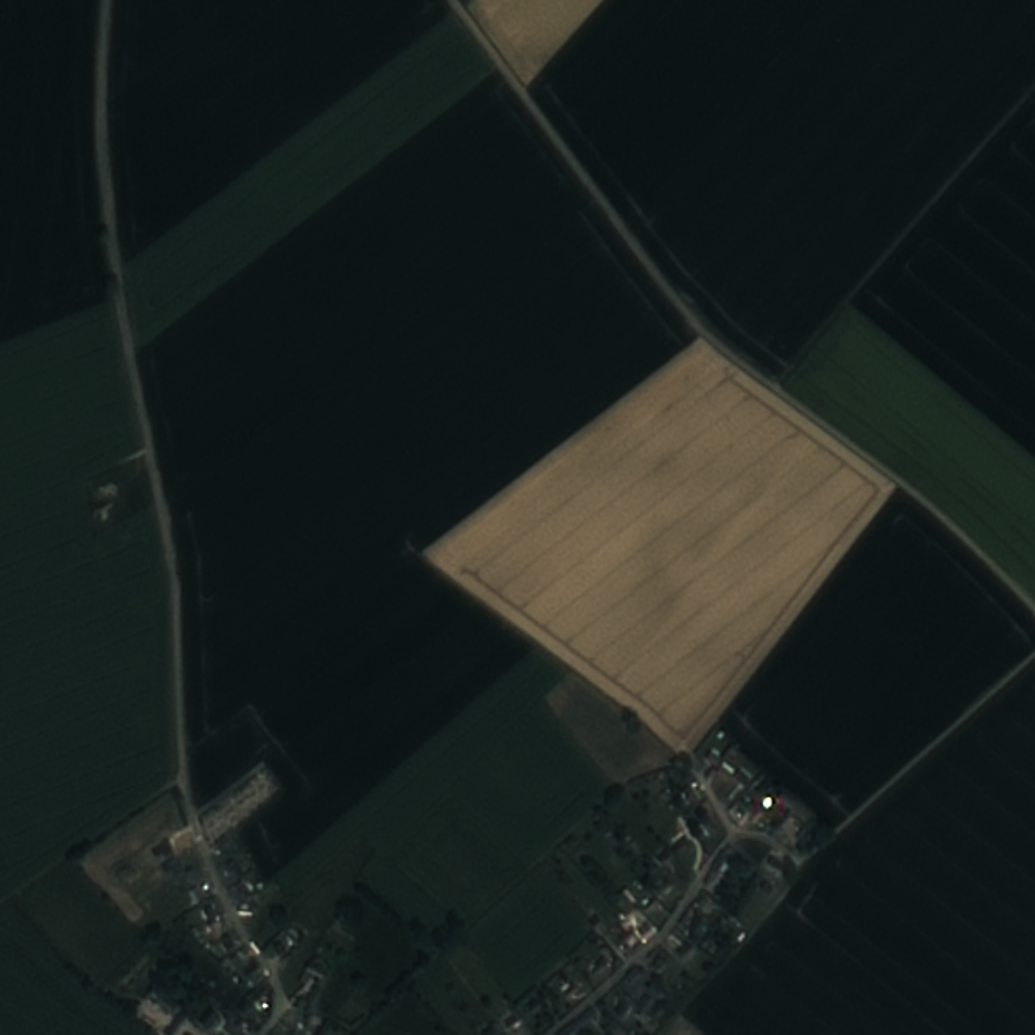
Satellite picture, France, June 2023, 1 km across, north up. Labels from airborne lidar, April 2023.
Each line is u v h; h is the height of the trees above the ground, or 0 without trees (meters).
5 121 0
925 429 0
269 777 0
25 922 0
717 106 0
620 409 0
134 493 0
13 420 0
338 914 6
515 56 0
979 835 0
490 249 0
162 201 0
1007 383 0
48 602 0
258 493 0
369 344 0
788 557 0
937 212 0
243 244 0
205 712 0
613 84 0
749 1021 0
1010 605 0
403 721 0
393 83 0
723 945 12
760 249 0
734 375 0
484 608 0
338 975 0
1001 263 0
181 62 0
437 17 0
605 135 0
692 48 0
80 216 0
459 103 0
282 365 0
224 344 0
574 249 0
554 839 0
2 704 0
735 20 0
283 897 0
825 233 0
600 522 0
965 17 0
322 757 0
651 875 7
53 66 0
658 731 0
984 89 0
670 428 0
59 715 0
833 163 0
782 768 0
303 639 0
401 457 0
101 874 0
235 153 0
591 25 0
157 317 0
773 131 0
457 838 0
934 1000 0
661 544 0
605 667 0
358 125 0
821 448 0
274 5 0
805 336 0
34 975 0
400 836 0
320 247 0
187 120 0
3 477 0
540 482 0
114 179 0
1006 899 0
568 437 0
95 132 0
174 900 0
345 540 0
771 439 0
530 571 0
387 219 0
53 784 0
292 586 0
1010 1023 0
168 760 0
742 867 13
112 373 0
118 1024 0
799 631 0
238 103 0
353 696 0
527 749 0
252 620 0
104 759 0
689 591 0
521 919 0
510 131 0
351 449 0
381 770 0
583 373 0
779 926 0
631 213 0
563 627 0
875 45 0
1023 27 0
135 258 0
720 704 0
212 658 0
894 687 0
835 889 0
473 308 0
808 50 0
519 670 0
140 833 0
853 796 0
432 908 0
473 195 0
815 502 0
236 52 0
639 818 0
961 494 0
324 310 0
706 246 0
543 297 0
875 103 0
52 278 0
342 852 0
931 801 0
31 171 0
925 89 0
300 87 0
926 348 0
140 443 0
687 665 0
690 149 0
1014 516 0
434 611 0
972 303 0
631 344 0
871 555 0
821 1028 0
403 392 0
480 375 0
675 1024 0
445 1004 0
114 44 0
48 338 0
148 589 0
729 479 0
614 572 0
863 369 0
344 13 0
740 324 0
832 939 0
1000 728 0
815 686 0
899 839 0
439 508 0
